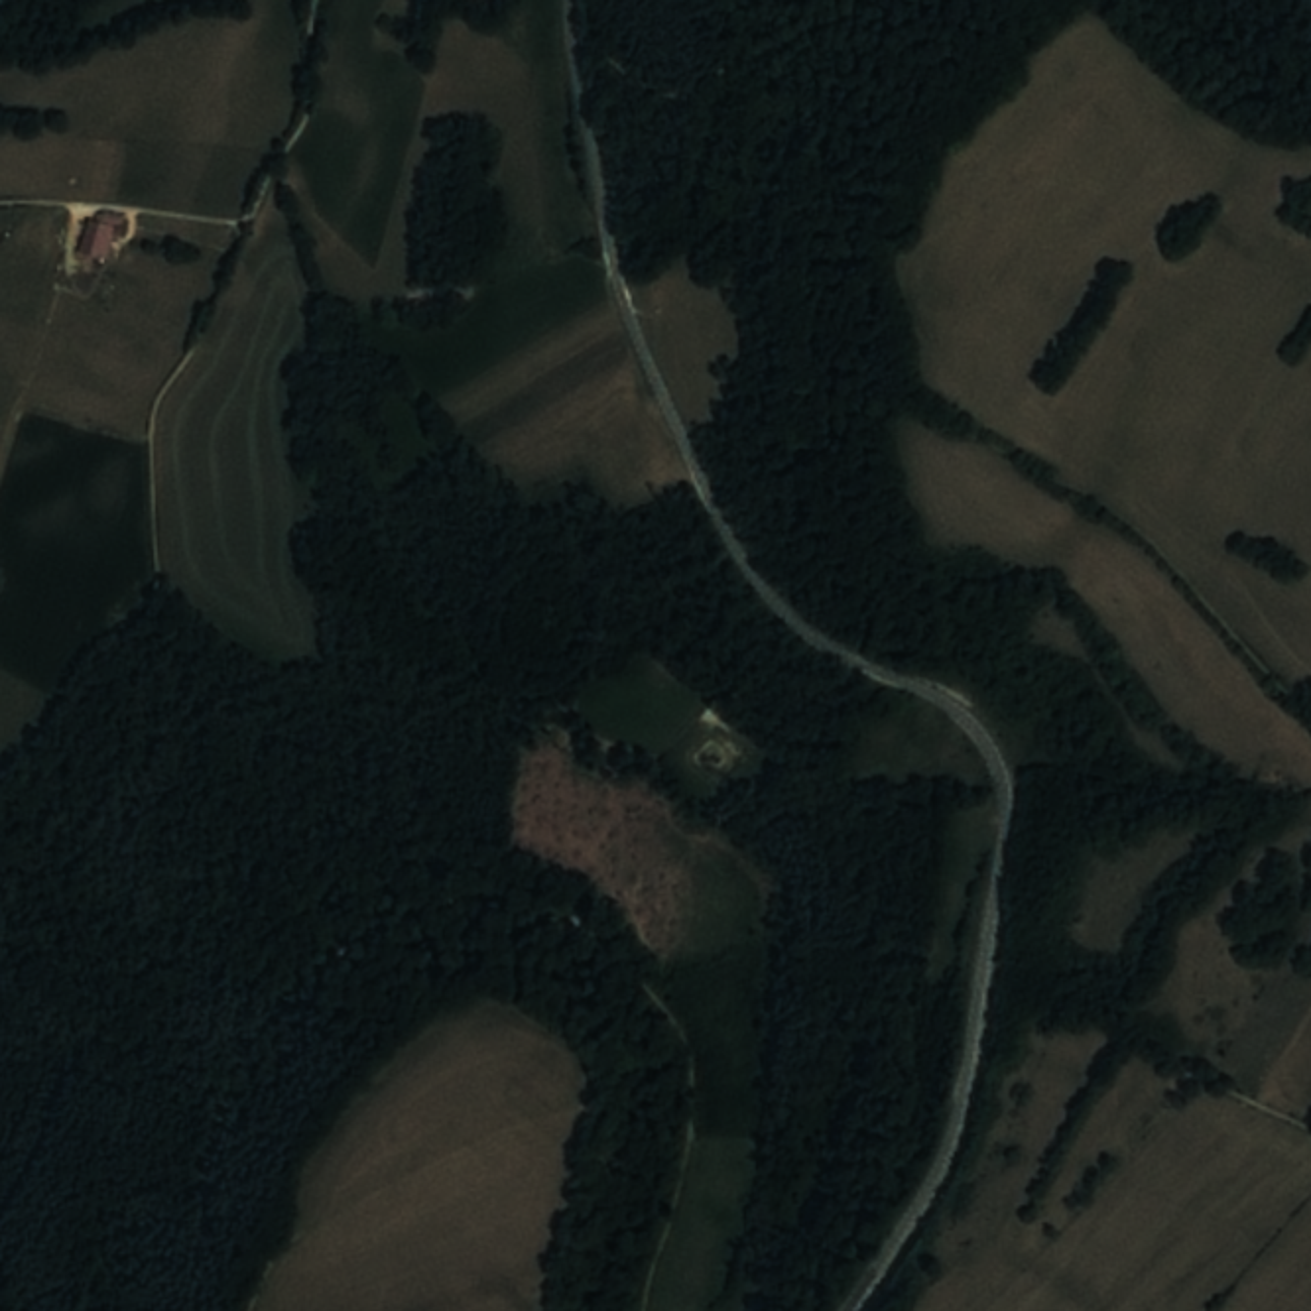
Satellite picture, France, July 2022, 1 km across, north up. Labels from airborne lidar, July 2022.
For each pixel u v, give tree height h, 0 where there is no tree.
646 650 10
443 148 16
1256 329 0
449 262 20
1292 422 0
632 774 24
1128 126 0
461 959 28
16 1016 20
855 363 25
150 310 0
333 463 24
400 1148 0
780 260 21
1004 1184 0
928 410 12
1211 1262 0
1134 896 0
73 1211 28
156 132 0
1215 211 13
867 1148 29
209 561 0
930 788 14
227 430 0
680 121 24
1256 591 0
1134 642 0
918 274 0
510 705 18
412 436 0
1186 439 0
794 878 31
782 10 23
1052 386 16
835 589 17
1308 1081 0
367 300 0
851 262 6
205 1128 14
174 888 15
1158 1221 0
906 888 16
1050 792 7
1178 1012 0
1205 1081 13
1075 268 0
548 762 0
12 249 0
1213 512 0
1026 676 26
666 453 0
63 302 0
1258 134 24
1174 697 0
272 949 21
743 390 13
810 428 32
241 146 0
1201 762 14
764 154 13
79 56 18
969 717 0
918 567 22
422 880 34
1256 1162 0
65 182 0
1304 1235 0
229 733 23
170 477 0
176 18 19
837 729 27
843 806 25
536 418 0
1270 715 0
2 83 0
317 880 28
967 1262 0
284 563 0
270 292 0
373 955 25
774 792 29
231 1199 25
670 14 21
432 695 8
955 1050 19
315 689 9
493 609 21
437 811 24
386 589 8
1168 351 0
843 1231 27
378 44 0
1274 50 40
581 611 11
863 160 29
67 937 21
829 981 18
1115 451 0
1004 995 10
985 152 0
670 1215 28
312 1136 22
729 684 10
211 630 20
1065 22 14
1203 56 34
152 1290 26
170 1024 16
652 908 0
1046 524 0
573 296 0
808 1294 31
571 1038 24
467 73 0
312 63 15
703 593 19
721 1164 0
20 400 0
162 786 15
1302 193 18
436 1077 0
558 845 0
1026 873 6
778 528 15
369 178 0
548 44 0
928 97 26
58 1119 30
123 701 19
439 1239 0
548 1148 0
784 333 23
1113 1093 0
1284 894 12
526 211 0
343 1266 0
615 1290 33
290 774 25
